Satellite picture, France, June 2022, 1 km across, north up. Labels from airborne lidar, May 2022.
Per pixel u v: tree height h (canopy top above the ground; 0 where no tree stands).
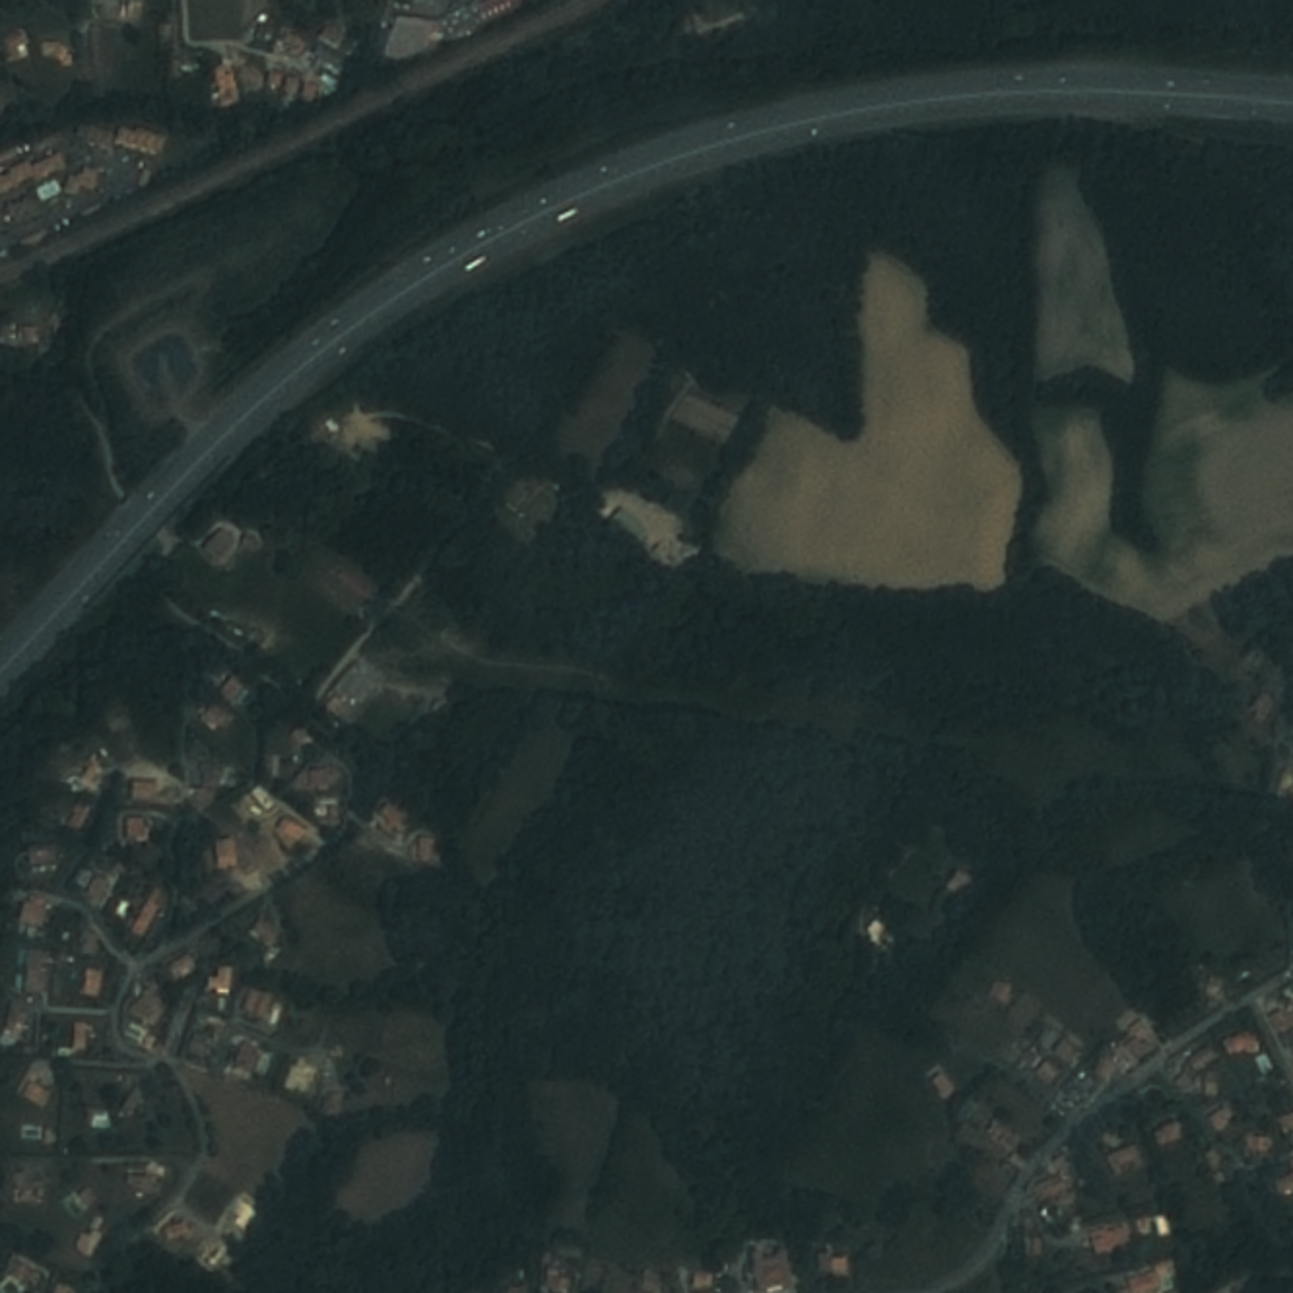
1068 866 9
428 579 9
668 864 19
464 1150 22
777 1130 27
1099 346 0
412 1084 0
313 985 13
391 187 16
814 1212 17
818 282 19
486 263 0
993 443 0
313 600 0
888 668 21
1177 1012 8
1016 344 16
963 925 18
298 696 15
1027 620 19
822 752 27
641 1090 20
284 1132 0
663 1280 6
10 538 15
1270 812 22
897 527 0
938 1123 0
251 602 0
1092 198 13
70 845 7
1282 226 13
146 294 0
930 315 9
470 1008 26
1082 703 12
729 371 25
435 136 29
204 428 0
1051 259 0
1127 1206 9
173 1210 0
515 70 9
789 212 22
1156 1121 7
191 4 0
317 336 0
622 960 21
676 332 25
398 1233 25
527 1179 19
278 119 23
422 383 22
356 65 17
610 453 12
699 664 22
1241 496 0
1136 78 0
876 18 16
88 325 6
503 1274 9
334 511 27
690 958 25
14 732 22
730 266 25
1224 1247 9
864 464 0
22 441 14
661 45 21
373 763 26
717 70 11
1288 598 25
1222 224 14
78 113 18
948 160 20
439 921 27
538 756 0
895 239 13
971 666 20
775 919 27
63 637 8
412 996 19
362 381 22
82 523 14
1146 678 16
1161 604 0
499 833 0
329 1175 28
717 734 21
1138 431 14
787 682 25
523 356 19
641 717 25
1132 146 18
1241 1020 6
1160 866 16
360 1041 0
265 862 0
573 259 10
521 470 19
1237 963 13
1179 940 10
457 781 16
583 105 15
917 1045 13
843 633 26
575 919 23
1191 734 19
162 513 0
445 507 25
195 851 21
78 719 12
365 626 10
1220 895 0
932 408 0
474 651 0
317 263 15
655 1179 0
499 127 16
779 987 28
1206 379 11
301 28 8
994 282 14
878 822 18
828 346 20
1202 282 13
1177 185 14
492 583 6
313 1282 31
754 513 0
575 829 24
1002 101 0
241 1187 0
